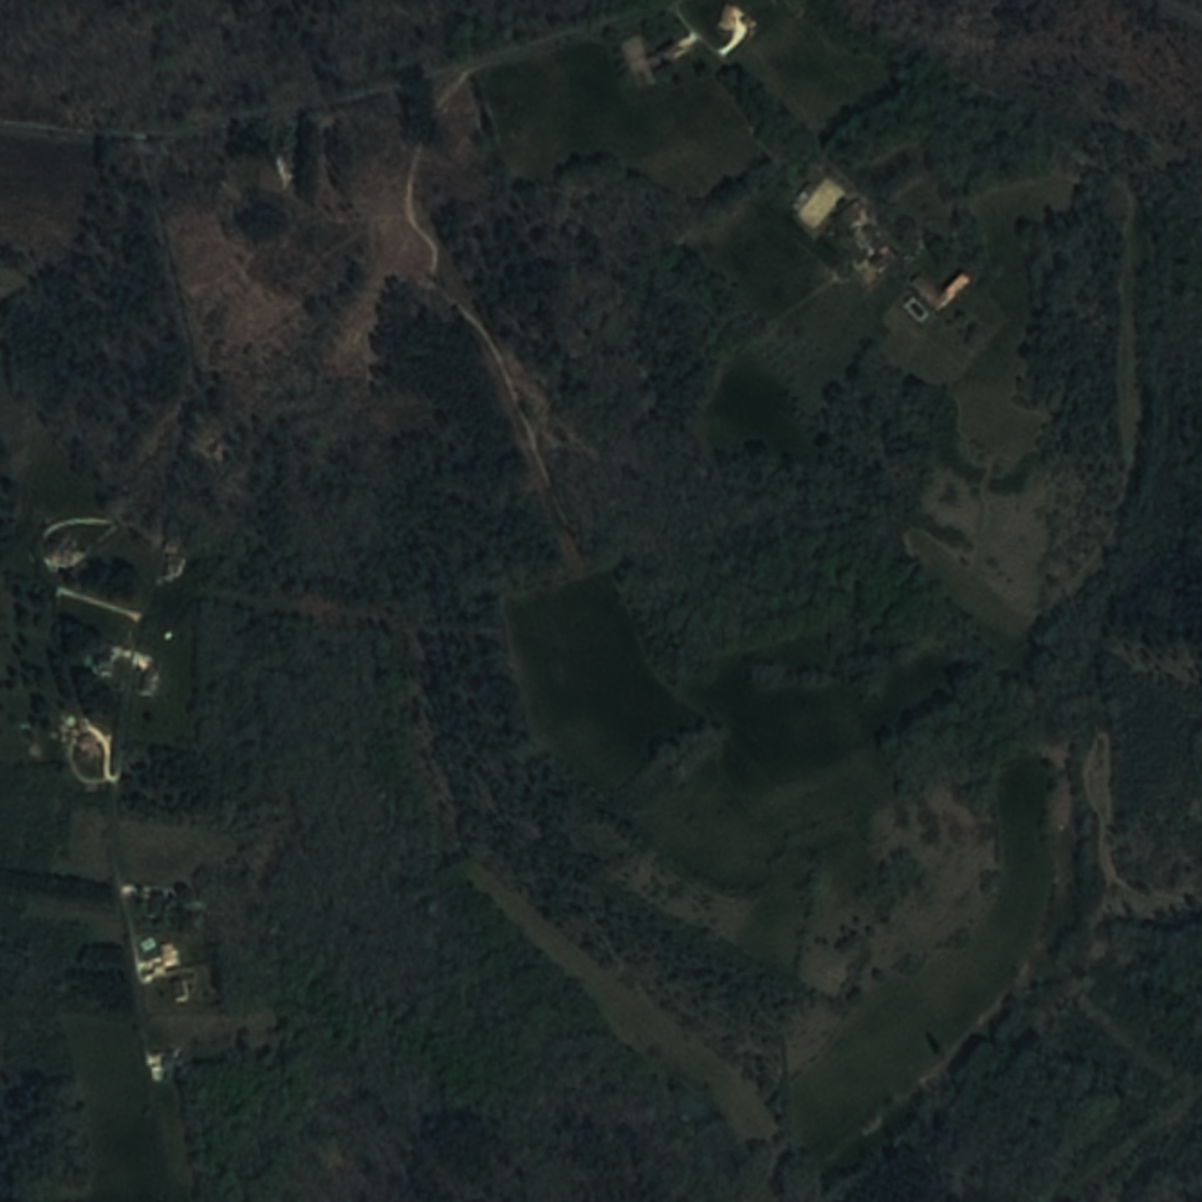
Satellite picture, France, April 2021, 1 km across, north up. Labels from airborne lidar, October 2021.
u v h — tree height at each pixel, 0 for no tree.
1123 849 9
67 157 0
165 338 22
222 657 16
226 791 9
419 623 19
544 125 0
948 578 0
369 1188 17
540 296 20
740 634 25
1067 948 17
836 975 0
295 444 17
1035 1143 25
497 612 21
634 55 0
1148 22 8
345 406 17
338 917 23
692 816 7
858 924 11
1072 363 8
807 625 25
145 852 0
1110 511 6
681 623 21
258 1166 19
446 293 16
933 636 21
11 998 10
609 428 15
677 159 0
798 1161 18
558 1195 20
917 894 12
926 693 0
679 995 7
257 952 22
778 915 0
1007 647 0
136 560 0
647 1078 19
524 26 16
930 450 17
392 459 11
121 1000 15
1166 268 13
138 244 13
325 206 0
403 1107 21
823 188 0
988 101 15
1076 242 22
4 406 0
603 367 9
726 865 0
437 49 10
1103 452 7
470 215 15
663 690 0
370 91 10
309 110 7
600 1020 17
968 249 18
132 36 14
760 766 0
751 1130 0
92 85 17
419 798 21
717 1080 0
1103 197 18
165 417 13
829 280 0
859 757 0
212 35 15
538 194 14
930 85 16
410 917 22
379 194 0
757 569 26
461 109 0
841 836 0
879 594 26
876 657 19
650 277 14
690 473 22
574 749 0
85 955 13
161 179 6
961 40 10
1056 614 12
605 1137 17
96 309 9
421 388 23
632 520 20
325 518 16
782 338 10
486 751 22
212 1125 15
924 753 22
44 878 7
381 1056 17
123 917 0
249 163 21
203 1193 14
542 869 20
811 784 0
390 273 0
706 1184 26
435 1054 23
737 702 0
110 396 16
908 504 9
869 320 0
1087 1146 6
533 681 0
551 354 8
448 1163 26
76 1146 24
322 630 20
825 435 10
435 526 23
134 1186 0
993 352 0
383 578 25
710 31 0
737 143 0
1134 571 20
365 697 27
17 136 0
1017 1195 21
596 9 14
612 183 17
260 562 26
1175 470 17
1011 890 0
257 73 12
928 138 22
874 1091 0
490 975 25
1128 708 6
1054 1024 12
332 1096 25
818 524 24
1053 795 7
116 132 15
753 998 7
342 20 21
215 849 0
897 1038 0
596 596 0
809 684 13
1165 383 16
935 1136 15
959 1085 16
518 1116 22
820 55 0
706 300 21
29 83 11
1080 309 14
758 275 0
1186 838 7
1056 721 13
